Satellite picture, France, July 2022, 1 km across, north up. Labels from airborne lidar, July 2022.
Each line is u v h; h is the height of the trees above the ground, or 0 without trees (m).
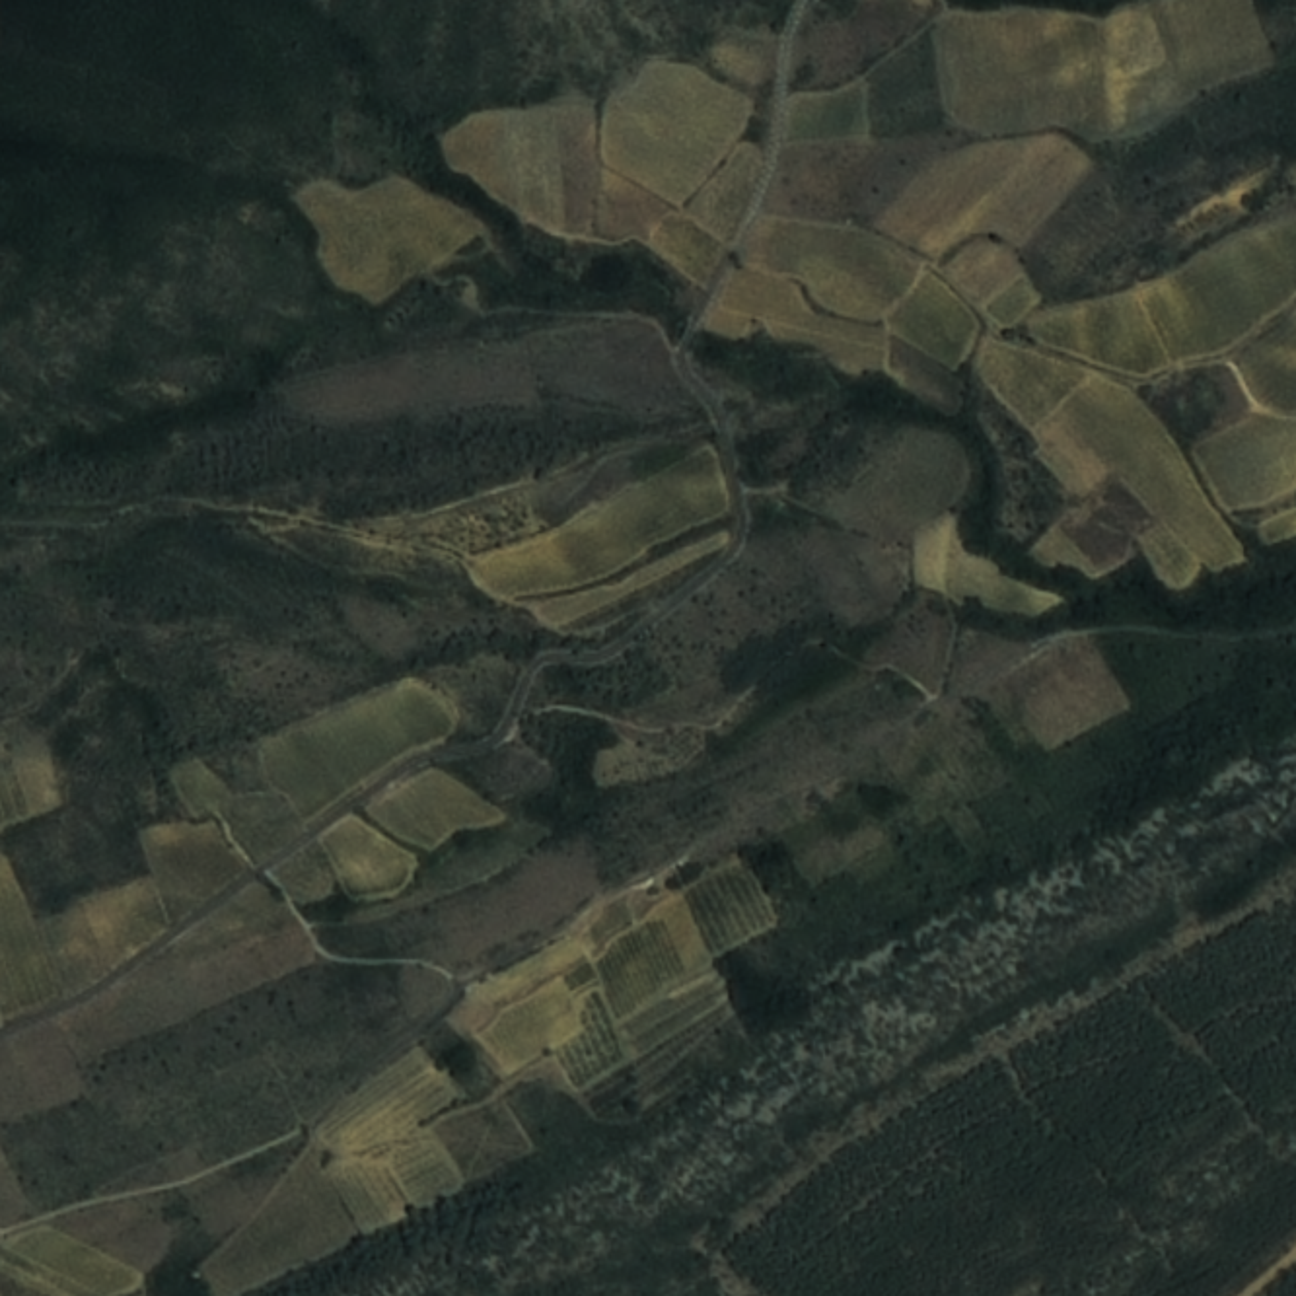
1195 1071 10
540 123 0
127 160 7
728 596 0
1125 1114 9
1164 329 0
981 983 0
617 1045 0
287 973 0
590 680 12
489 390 0
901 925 9
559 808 8
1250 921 11
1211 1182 0
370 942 0
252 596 0
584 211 0
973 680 0
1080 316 0
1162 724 6
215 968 0
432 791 0
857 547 0
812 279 0
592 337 0
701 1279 0
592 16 0
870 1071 0
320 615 0
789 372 9
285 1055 0
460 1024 0
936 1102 7
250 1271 0
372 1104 0
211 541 9
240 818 0
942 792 0
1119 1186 8
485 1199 11
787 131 0
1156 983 7
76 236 8
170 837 0
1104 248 0
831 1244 10
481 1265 0
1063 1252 7
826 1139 0
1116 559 0
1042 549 0
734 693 6
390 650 0
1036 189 0
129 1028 0
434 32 0
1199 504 0
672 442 0
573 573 0
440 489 6
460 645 9
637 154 0
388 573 0
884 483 0
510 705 0
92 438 6
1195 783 5
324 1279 9
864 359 0
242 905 0
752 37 0
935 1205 9
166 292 0
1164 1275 6
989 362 0
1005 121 0
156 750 9
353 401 0
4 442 7
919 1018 0
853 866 0
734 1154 0
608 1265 0
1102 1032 8
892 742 0
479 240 6
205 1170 0
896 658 0
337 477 8
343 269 0
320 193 0
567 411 0
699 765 0
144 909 0
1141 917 0
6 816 0
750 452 8
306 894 0
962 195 0
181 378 0
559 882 0
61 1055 0
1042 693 0
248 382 7
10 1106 0
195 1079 0
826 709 0
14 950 0
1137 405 0
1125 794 6
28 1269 0
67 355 0
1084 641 0
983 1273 7
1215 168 0
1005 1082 9
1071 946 0
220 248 0
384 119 10
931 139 0
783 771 0
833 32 0
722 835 0
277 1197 0
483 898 0
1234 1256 6
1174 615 11
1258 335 0
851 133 0
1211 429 0
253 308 0
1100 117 0
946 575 0
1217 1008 11
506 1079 0
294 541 0
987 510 7
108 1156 0
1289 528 0
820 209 0
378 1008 0
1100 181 0
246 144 0
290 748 0
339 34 6
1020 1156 11
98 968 0
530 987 0
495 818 0
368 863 0
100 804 0
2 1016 0
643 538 0
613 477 0
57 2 5
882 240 0
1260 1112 8
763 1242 8
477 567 0
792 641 8
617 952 0
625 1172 0
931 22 0
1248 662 7
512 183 0
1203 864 0
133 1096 0
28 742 0
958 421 9
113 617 7
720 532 0
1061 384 0
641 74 0
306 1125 5
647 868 0
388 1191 0
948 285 0
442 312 7
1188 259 6
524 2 0
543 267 9
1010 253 0
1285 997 10
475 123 0
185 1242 0
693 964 0
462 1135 0
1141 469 0
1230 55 0
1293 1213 6
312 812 0
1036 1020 0
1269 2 7
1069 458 0
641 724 0
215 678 9
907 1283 6
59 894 5
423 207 0
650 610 0
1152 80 0
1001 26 0
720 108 0
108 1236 0
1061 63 0
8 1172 0
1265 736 7
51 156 6
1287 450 0
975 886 9
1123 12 0
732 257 9
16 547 0
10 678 0
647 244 0
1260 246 0
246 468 10
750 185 0
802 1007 6
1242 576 9
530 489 0
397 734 0
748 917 0
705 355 6
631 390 0
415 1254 14
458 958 0
